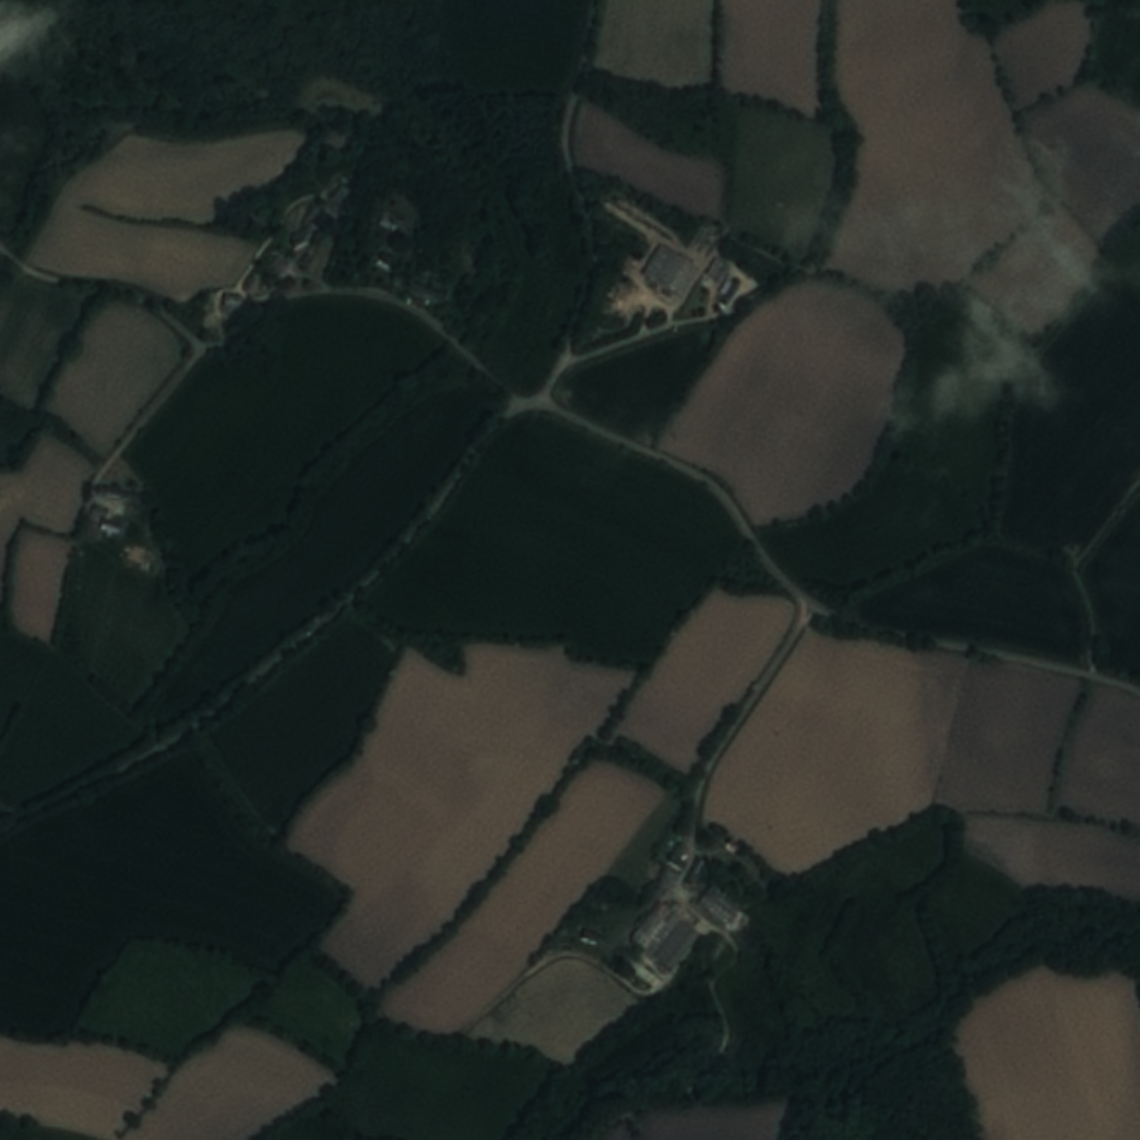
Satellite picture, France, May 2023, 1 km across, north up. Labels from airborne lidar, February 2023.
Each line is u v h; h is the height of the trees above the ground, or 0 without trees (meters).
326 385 0
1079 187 0
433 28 9
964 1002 19
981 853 0
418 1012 0
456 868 0
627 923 0
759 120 0
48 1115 0
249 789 0
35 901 0
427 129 11
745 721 0
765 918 0
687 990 11
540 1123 18
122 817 0
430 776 0
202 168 0
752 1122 0
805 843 0
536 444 0
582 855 0
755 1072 9
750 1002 0
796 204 0
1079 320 0
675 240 0
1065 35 0
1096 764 0
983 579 0
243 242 10
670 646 0
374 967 0
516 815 0
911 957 0
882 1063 13
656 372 0
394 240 13
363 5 8
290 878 0
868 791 0
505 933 0
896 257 0
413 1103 0
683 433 0
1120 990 0
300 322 0
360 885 0
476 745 0
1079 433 0
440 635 8
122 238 0
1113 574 0
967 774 0
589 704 0
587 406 0
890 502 0
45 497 0
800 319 0
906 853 0
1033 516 0
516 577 0
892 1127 19
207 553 0
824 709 0
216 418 0
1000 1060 0
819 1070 9
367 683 0
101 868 0
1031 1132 0
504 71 0
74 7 13
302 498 17
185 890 0
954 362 0
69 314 0
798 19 0
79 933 0
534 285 0
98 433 0
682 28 0
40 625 0
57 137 11
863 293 8
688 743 0
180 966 0
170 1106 0
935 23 0
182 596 12
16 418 12
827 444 0
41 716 0
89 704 0
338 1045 0
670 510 0
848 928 7
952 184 0
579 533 0
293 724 0
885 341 0
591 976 0
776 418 0
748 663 0
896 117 0
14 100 0
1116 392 0
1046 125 0
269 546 11
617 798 0
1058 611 0
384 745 0
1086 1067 0
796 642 0
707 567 0
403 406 8
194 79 13
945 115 0
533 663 0
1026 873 0
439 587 0
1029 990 0
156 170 0
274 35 8
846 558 0
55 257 0
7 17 14
